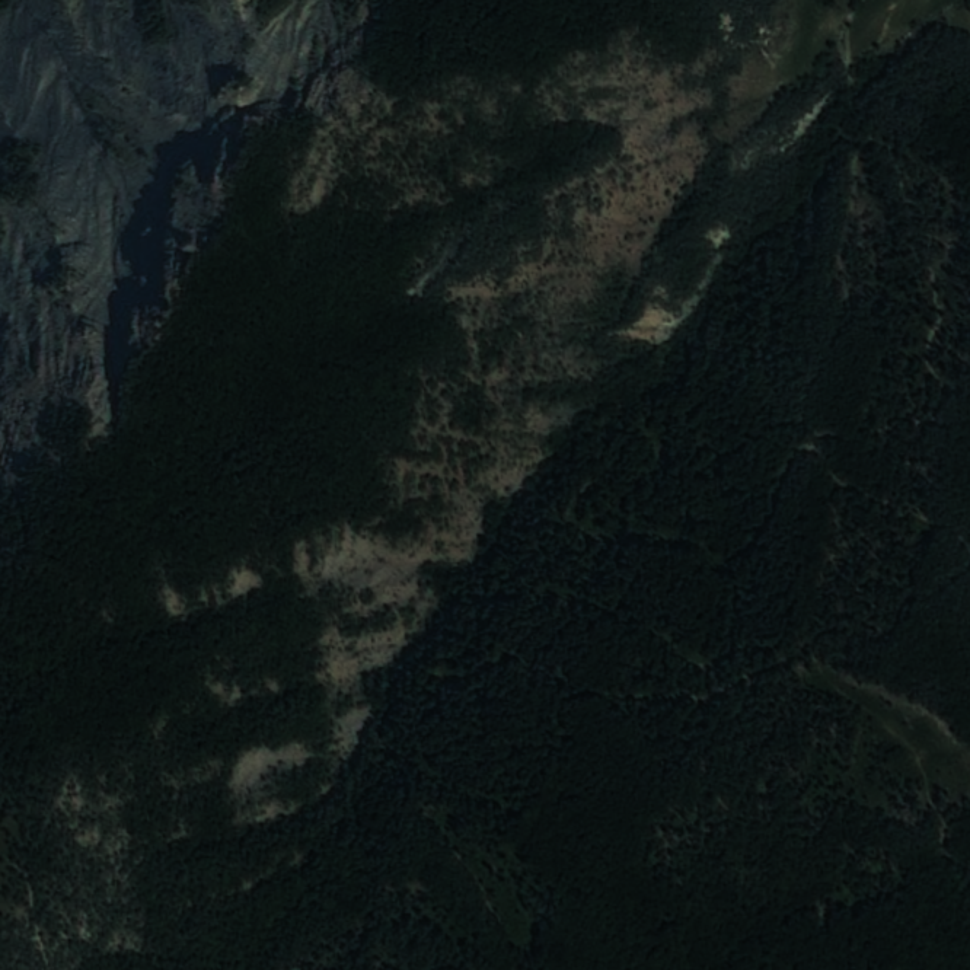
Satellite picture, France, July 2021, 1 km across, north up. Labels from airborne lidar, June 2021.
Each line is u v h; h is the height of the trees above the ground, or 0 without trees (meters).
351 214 13
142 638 20
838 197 15
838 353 28
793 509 19
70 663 21
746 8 6
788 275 25
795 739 26
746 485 23
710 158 7
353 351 23
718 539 27
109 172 0
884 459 23
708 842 12
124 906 6
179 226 0
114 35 0
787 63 0
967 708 18
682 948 15
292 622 17
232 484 19
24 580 11
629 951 17
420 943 26
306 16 0
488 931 24
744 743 17
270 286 18
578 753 23
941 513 20
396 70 12
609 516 19
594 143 10
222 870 12
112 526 21
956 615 23
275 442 21
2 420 0
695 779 22
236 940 16
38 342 0
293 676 11
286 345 17
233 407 14
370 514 7
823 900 14
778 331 22
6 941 6
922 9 0
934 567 24
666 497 26
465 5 22
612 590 26
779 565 22
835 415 16
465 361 9
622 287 11
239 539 10
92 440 7
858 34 0
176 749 16
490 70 6
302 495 10
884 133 12
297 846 7
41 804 13
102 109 0
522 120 10
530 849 25
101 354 0
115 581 14
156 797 10
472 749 22
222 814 10
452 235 9
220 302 16
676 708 19
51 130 0
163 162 0
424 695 21
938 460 19
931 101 19
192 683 13
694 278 10
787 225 16
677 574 22
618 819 22
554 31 20
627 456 22
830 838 10
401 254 15
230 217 11
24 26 0
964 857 19
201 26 0
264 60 0
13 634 14
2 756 22
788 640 25
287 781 10
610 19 8
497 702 23
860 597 21
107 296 0
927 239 18
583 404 6
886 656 20
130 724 17
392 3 14
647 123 0
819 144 15
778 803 21
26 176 11
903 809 26
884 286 12
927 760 0
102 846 7
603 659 32
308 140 7
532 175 13
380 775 14
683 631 22
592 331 8
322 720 9
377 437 15
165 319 6
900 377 17
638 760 29
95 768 8
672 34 9
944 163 20
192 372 13
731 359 20
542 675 23
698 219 9
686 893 13
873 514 21
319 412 23
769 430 20
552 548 23
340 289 19
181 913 6
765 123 9
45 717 22
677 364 21
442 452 12
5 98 0
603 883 19
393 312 15
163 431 16
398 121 7
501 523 19
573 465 16
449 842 24
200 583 13
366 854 19
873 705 0
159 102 0
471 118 10
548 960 24
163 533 14
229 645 8
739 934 13
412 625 9
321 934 16
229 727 15
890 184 13
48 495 19
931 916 14
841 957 27
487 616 22
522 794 16
